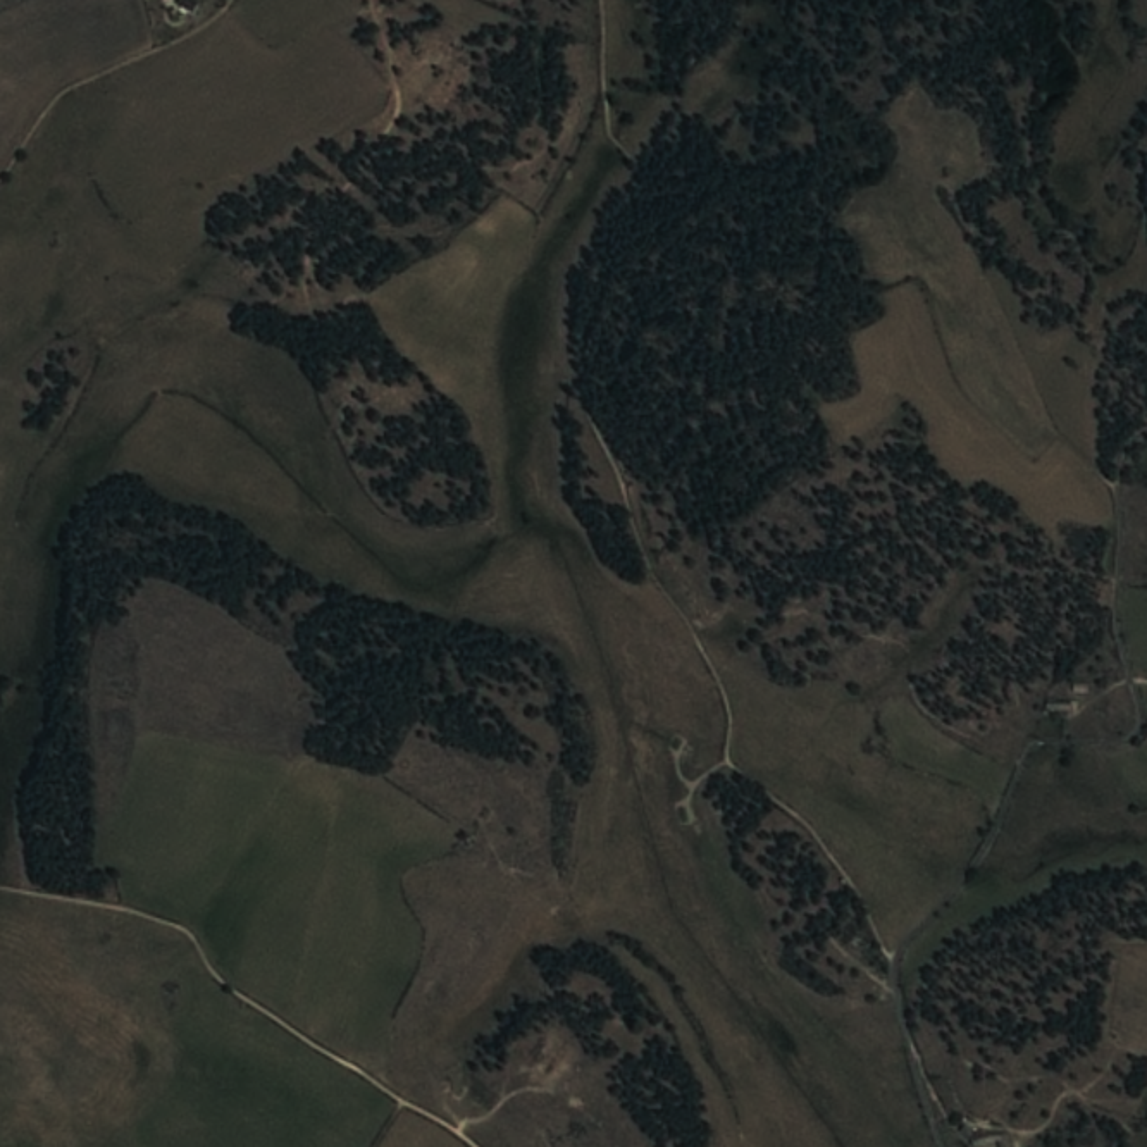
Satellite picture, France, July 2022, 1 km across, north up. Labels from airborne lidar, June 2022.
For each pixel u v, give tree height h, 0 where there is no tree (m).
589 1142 0
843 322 16
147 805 0
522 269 0
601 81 0
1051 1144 11
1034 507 0
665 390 10
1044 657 18
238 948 0
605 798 0
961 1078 0
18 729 0
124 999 0
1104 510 0
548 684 0
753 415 18
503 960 0
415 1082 0
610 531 24
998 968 18
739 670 0
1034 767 0
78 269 0
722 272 12
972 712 12
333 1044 0
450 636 13
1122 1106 0
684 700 0
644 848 0
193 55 0
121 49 0
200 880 0
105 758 0
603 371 22
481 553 0
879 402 0
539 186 0
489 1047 15
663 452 12
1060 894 16
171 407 0
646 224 16
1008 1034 10
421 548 0
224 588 18
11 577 0
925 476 12
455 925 0
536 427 0
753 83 0
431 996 0
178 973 0
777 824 0
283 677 0
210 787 0
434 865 0
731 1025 0
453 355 0
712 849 0
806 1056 0
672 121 16
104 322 0
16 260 0
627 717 0
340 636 22
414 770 0
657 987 0
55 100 0
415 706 10
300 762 0
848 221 0
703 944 0
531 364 0
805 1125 0
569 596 0
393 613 25
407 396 0
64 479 0
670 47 10
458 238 0
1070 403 0
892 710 0
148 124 0
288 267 15
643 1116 14
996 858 0
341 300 0
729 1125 0
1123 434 16
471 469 13
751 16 0
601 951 8
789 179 19
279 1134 0
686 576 0
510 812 0
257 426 0
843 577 11
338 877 0
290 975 0
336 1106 0
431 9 16
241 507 0
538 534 0
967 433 0
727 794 15
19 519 0
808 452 12
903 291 0
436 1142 0
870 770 0
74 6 0
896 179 0
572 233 0
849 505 17
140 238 0
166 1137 0
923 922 0
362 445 7
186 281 0
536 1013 14
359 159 11
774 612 13
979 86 12
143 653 0
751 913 0
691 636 0
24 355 0
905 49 14
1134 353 13
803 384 7
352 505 0
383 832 0
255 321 25
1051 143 8
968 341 0
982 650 17
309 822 0
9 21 0
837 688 0
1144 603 0
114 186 0
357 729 19
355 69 0
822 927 7
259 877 0
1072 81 22
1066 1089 0
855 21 16
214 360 0
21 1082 0
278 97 0
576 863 0
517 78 15
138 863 0
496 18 0
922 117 0
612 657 0
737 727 0
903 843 0
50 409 17
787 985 0
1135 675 0
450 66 0
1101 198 0
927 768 0
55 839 17
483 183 13
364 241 23
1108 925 14
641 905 0
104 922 0
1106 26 0
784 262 19
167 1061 0
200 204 0
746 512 10
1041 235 8
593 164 0
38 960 0
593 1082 0
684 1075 16
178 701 0
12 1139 0
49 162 0
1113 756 0
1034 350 0
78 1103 0
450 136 14
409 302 0
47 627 0
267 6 0
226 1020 0
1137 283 0
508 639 15
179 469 0
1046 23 12
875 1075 0
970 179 0
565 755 11
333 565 0
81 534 13
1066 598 15
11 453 0
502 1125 0
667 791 0
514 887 0
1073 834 0
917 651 0
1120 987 0
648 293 13
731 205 16
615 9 0
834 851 0
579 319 25
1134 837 0
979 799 0
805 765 0
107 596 16
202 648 0
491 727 15
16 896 0
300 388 0
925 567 13
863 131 6
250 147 0
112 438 0
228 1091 0
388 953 0
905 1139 0
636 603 0
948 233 0
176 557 16
